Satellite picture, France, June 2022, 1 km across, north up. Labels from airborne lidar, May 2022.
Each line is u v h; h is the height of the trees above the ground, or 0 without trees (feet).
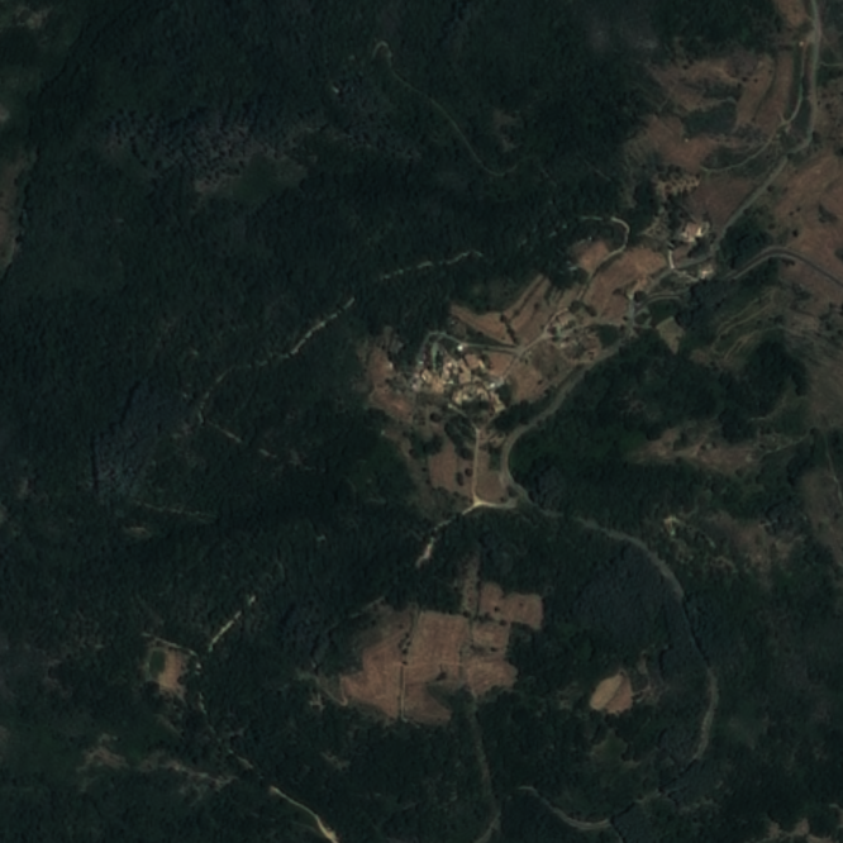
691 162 0
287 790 33
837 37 0
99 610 30
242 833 32
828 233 0
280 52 37
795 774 26
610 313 0
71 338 24
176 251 33
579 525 32
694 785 75
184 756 28
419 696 0
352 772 28
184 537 63
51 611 21
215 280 27
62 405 45
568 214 33
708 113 0
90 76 43
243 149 59
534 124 32
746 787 43
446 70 22
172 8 40
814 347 0
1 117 0
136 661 30
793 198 0
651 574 71
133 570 28
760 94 0
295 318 19
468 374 0
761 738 28
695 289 59
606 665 32
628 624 70
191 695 21
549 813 39
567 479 37
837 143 0
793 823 52
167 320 23
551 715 34
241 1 41
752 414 28
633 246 27
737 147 0
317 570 23
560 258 28
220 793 29
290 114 30
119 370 36
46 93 66
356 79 33
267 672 21
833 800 24
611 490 29
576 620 61
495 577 22
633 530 34
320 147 33
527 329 0
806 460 49
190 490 41
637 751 28
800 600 24
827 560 24
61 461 24
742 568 28
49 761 0
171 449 23
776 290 0
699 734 52
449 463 0
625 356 40
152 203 56
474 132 25
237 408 27
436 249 21
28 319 39
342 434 41
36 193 22
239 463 45
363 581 24
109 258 27
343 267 20
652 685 0
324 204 36
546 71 26
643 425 37
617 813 32
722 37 25
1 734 0
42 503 28
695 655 72
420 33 29
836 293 0
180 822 22
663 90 0
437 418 46
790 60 0
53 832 30
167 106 21
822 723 20
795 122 0
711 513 0
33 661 18
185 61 21
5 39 43
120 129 54
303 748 42
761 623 24
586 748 38
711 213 0
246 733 29
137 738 0
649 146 0
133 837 31
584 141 24
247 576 29
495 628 0
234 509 40
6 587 26
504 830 33
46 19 31
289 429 22
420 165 27
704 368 20
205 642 28
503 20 22
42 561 20
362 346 0
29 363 38
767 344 40
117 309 25
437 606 25
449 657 0
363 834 50
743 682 22
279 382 31
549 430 19
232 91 44
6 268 44
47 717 23
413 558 27
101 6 48
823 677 26
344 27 19
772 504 22
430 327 26
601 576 61
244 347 22
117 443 61
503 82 30
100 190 34
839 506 0
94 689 35
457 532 23
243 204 48
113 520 25
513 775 32
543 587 20
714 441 22
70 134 28
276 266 24
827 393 0
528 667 30
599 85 47
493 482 0
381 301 22
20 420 22
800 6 0
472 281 25
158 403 72
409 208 21
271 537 41
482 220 42
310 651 22
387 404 0
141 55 34
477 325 0
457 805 43
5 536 36
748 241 80
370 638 0
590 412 35
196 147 56
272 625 21
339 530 35
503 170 20
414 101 18
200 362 26
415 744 31
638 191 31
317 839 27
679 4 18
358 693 0
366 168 41
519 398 0
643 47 0
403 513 30
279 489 31
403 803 50
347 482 30
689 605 88
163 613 26
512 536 24
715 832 49
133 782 30
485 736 28
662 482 35
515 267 30
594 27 0
